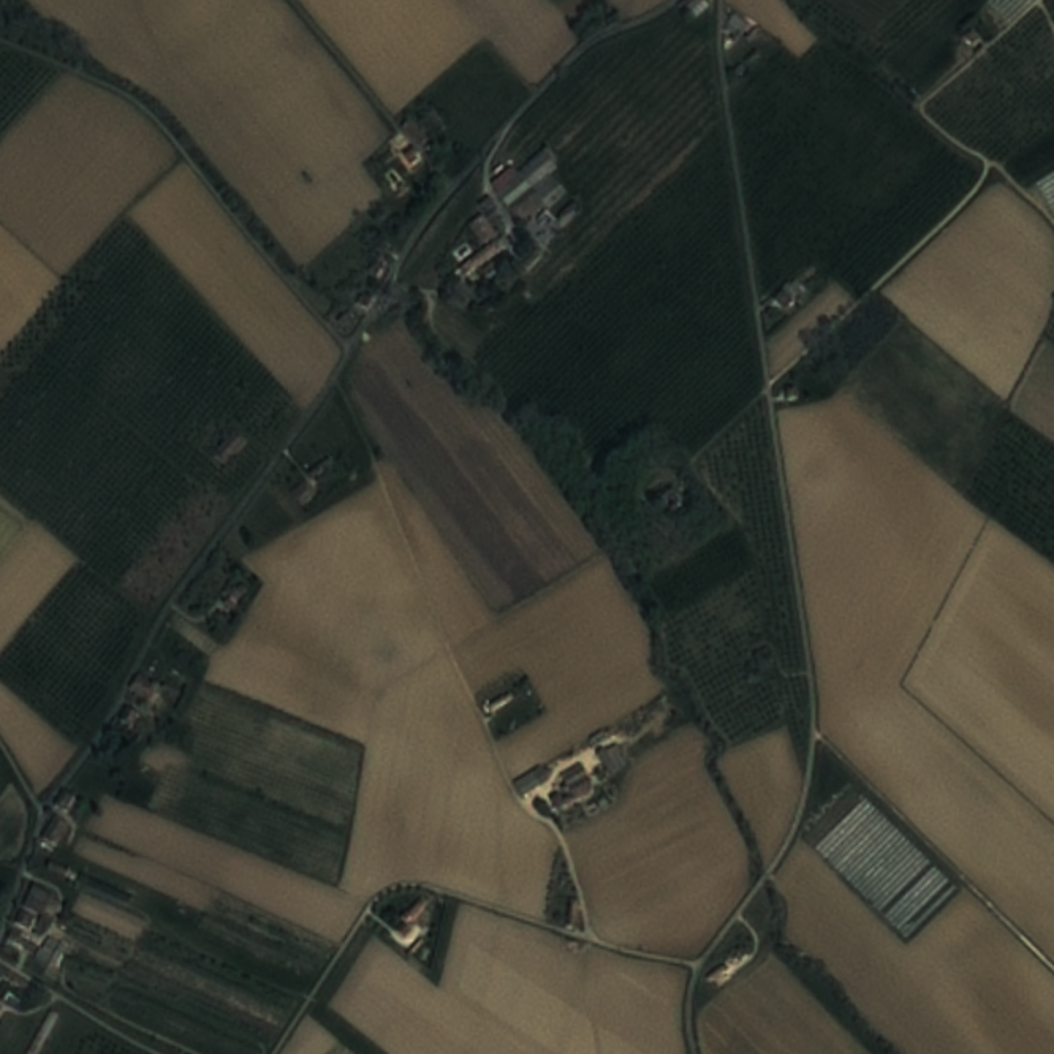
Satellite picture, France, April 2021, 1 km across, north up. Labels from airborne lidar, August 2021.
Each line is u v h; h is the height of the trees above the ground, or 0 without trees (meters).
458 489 0
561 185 0
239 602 7
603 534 23
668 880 0
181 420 6
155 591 9
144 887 0
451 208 0
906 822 0
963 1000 0
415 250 0
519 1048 0
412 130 0
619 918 0
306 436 0
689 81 0
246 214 15
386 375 0
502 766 0
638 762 0
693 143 0
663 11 0
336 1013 0
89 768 0
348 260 8
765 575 5
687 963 0
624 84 0
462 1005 0
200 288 0
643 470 24
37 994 15
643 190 0
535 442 21
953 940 0
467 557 0
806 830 0
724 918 0
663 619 11
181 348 5
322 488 8
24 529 0
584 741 0
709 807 0
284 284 0
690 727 0
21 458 6
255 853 0
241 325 0
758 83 0
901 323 14
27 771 0
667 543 19
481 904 0
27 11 11
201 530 8
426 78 0
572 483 19
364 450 0
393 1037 0
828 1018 0
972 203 0
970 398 0
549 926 0
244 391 9
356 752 0
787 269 0
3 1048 0
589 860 0
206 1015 9
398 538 0
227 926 9
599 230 0
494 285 11
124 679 0
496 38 0
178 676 0
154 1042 6
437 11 0
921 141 0
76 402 5
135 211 0
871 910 0
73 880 6
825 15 6
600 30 17
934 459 0
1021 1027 0
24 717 0
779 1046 0
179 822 0
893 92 7
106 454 5
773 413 0
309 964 7
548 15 0
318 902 0
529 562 0
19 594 0
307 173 7
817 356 14
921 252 0
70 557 0
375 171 8
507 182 0
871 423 0
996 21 0
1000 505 6
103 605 5
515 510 0
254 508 0
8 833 0
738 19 0
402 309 11
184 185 0
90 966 7
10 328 0
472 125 0
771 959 0
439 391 0
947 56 0
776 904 12
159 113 9
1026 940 0
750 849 9
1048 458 6
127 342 6
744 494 6
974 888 0
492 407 22
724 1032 0
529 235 9
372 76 0
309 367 0
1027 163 0
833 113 0
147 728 12
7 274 0
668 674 14
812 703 0
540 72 0
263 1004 8
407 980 0
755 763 0
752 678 9
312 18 0
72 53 18
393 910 9
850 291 0
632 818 0
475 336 0
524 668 0
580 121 0
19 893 7
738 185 0
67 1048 0
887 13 0
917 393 0
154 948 10
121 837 0
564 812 10
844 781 0
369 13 0
